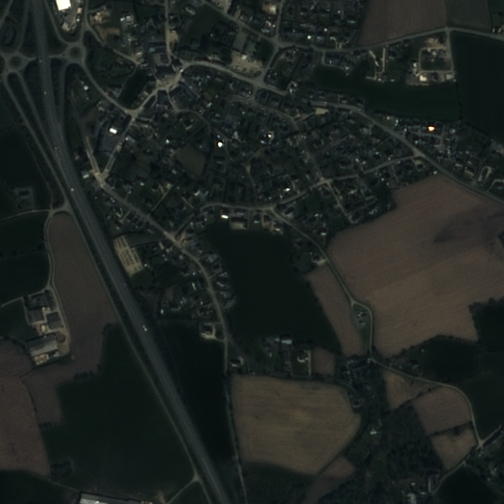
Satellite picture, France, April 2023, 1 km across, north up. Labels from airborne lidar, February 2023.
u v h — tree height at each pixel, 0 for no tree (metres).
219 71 0
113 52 10
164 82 0
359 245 0
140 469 0
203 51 14
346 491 15
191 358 0
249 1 0
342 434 0
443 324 0
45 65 0
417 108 0
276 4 0
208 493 0
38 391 0
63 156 0
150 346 0
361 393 11
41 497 0
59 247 0
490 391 0
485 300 0
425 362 0
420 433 6
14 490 0
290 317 0
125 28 0
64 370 0
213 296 0
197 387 0
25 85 0
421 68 0
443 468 7
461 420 0
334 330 0
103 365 0
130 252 0
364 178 11
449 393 0
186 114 0
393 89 0
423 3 0
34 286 0
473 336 0
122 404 0
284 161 17
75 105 0
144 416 0
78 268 0
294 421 0
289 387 0
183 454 0
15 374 0
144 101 0
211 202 9
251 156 0
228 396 6
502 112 0
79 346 0
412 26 0
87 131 0
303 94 0
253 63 0
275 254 0
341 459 0
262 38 0
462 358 0
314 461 0
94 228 0
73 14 0
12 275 0
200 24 0
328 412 0
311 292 12
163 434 0
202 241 0
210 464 0
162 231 0
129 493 0
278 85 0
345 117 0
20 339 0
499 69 0
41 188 0
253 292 0
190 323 12
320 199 9
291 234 13
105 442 0
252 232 0
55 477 9
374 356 10
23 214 0
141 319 0
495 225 0
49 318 0
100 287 0
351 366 7
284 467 0
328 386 0
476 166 0
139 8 7
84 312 0
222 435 0
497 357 0
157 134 0
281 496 0
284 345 11
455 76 0
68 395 0
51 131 0
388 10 0
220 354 0
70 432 0
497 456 0
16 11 9
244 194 15
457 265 0
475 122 0
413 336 0
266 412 0
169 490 0
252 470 0
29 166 0
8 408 0
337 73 0
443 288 0
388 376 0
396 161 0
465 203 0
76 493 0
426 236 0
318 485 0
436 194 0
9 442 0
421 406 0
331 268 0
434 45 0
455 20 0
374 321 0
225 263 0
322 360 0
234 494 0
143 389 0
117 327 0
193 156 0
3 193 0
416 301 0
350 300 0
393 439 7
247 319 0
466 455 0
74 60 0
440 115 0
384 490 20
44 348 0
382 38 0
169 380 0
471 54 0
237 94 0
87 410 0
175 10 0
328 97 0
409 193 0
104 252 0
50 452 0
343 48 9
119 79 0
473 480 0
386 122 0
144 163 0
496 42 0
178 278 0
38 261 0
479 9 0
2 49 0
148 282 0
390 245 0
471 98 0
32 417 0
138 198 0
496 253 0
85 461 0
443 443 0
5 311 0
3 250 0
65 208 0
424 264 0
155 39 0
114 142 0
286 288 0
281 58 0
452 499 0
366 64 11
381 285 0
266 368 0
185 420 0
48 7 0
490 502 0
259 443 0
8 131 0
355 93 0
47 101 0
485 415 0
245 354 14
